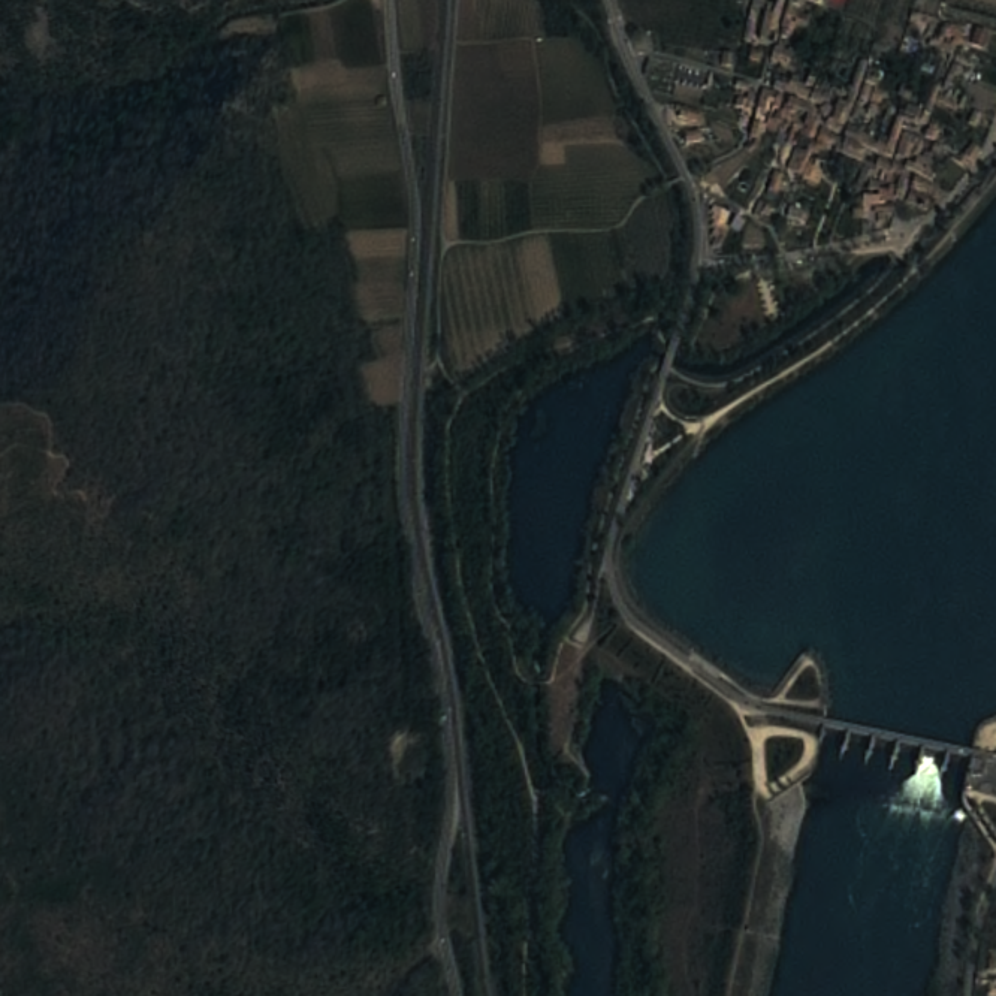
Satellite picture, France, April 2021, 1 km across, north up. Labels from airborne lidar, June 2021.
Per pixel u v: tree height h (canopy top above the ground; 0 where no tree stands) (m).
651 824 20
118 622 10
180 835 11
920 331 0
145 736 7
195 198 7
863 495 0
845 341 6
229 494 8
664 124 0
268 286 11
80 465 8
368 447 19
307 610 9
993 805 0
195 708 6
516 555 0
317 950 11
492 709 9
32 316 9
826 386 0
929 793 0
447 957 0
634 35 17
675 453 9
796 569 0
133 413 9
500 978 20
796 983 0
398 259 0
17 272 6
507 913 26
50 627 15
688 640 0
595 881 0
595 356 23
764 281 12
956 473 0
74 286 7
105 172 17
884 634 0
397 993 13
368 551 11
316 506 12
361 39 0
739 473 0
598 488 10
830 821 0
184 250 12
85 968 15
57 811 10
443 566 25
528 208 0
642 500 12
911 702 0
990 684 0
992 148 0
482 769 20
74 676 14
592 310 18
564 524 0
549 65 0
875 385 0
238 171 10
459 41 0
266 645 7
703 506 0
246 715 6
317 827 10
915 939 0
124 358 10
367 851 11
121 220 8
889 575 0
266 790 6
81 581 10
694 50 0
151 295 6
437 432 17
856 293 0
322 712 14
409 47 0
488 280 0
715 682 0
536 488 0
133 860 7
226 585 6
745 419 0
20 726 6
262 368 11
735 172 0
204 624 6
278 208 12
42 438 8
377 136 0
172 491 8
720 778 0
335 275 17
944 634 0
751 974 0
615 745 0
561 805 21
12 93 20
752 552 0
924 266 9
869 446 0
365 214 0
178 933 7
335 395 12
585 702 13
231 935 7
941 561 0
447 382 0
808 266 13
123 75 9
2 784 0
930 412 0
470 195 0
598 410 0
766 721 0
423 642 15
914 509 0
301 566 11
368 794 7
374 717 12
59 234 9
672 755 24
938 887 0
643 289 23
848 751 0
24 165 19
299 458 7
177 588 6
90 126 13
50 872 7
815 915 0
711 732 0
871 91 0
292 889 13
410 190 0
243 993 8
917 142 0
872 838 0
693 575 0
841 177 16
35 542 9
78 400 5
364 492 21
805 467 0
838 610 0
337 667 10
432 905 9
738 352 12
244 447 13
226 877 6
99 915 8
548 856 27
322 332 15
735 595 0
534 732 14
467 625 13
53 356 8
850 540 0
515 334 0
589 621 0
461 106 0
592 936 0
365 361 17
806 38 7
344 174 0
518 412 12
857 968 0
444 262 0
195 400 11
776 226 10
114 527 8
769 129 7
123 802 12
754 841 8
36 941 7
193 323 10
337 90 0
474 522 7
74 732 11
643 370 0
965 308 0
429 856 7
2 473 0
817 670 11
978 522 0
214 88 7
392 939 8
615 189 0
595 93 0
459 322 0
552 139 0
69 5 7
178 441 13
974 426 0
